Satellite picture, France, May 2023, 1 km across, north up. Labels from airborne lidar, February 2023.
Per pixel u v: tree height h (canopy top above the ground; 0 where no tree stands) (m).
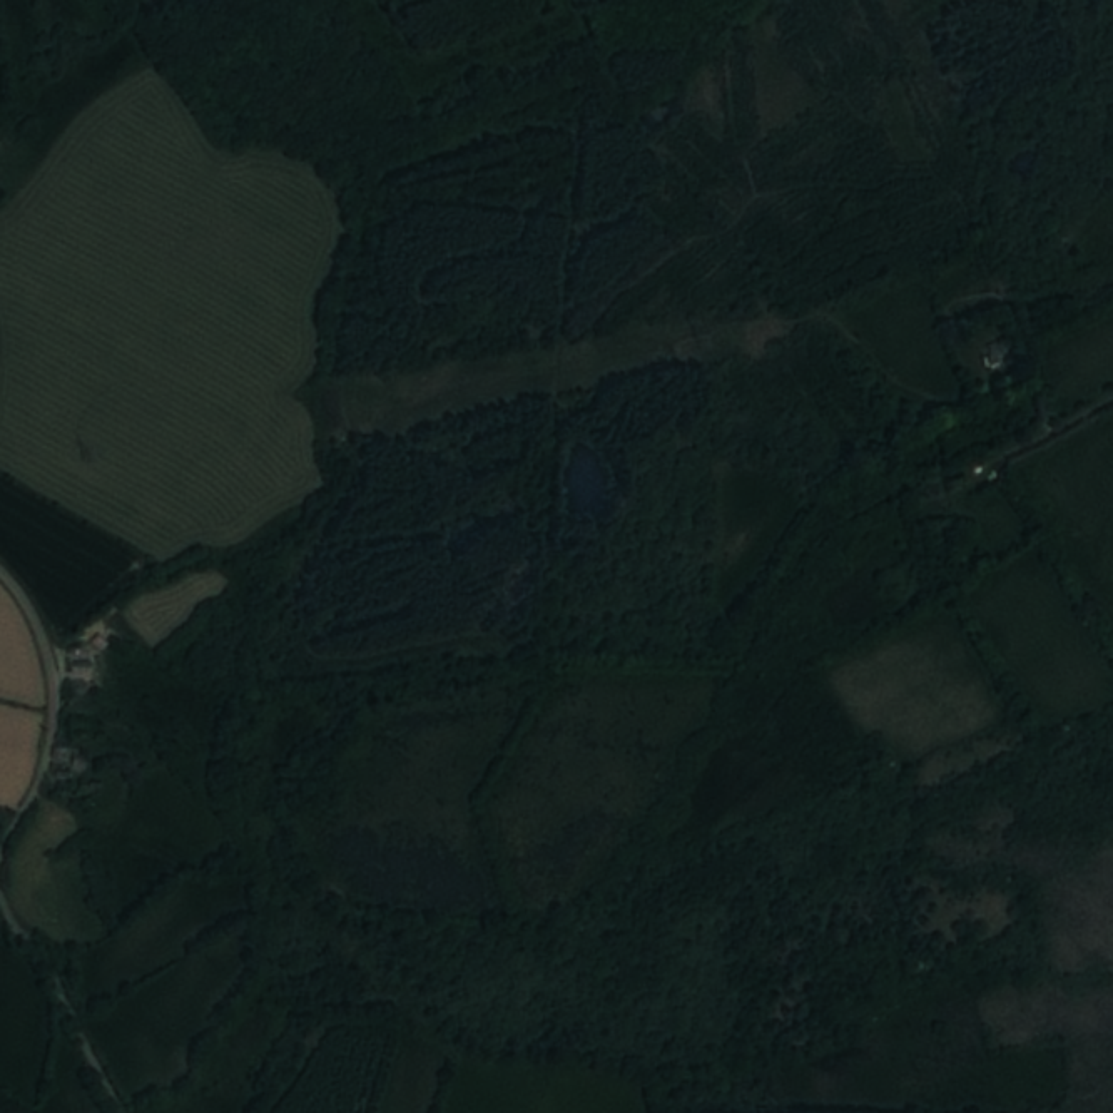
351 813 0
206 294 0
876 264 5
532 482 11
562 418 11
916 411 16
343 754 16
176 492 0
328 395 0
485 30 19
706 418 12
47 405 0
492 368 0
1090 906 0
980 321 17
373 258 24
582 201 21
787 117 0
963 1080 0
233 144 13
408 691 7
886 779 8
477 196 19
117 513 0
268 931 15
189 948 14
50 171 0
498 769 8
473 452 11
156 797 0
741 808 0
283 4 16
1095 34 13
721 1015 11
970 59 16
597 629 9
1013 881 9
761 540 0
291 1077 9
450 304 10
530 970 7
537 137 20
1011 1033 0
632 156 18
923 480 11
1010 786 13
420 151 17
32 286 0
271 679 12
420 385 0
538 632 12
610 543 10
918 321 0
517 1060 8
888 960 6
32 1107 7
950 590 19
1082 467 0
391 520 13
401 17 20
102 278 0
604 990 11
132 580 7
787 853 10
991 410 7
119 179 0
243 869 17
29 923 0
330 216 0
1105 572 0
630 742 0
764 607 8
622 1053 7
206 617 9
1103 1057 0
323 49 18
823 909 9
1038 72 19
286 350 0
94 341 0
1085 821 7
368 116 16
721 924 10
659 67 26
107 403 0
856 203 5
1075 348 0
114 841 0
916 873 7
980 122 9
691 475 9
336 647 22
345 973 14
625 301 8
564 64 17
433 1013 14
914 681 0
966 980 12
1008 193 11
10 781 0
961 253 12
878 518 6
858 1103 0
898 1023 0
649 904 14
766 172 6
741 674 5
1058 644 0
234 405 0
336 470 16
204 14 19
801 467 11
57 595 0
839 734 5
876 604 0
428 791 0
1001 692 17
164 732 0
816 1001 13
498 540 29
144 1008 0
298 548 16
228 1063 0
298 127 15
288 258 0
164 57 18
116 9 15
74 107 0
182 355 0
